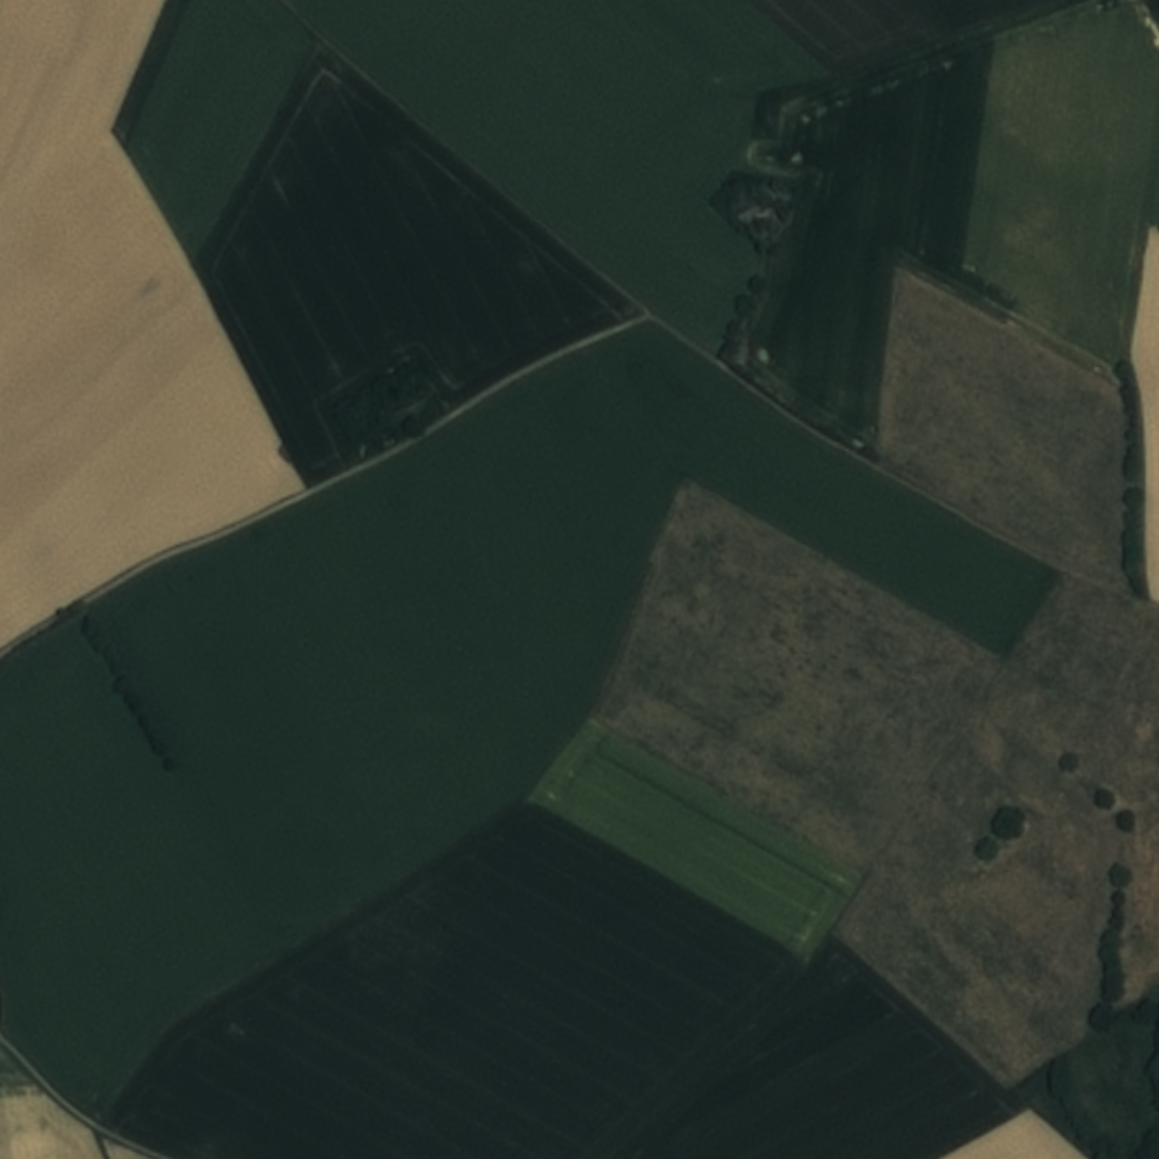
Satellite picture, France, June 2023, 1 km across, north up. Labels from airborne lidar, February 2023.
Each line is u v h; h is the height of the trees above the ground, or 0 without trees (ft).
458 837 0
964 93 0
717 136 0
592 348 0
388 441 22
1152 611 0
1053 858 0
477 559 0
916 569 0
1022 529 0
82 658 0
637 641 0
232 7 0
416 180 0
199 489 0
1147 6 0
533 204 0
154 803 0
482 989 0
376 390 23
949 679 0
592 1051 0
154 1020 0
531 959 0
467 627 0
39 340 0
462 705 0
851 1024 0
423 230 0
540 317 0
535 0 0
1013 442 0
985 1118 0
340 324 0
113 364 0
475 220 0
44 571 0
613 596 0
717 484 0
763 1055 0
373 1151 0
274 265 0
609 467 0
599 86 0
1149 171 0
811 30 0
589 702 0
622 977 0
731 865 0
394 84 0
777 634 0
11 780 0
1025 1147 0
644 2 0
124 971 0
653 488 0
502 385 0
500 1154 0
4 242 0
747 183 21
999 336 0
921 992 0
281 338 0
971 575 0
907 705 0
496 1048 0
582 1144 0
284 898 0
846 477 0
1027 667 0
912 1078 0
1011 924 0
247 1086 0
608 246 0
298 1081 0
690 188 0
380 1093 0
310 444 0
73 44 0
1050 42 0
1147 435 0
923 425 0
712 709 0
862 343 0
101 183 0
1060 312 0
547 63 0
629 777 0
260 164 0
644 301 0
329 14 0
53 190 0
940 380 0
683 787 0
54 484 0
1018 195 0
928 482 0
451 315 0
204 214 0
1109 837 0
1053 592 0
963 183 0
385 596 0
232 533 0
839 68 0
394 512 0
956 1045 0
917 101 0
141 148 0
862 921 0
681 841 0
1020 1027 0
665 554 0
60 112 0
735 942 0
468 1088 0
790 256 0
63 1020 0
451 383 0
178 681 0
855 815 0
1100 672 0
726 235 0
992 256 0
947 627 0
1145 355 0
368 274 0
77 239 0
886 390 0
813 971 0
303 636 0
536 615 0
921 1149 0
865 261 0
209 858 0
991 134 0
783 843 0
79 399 0
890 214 0
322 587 0
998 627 0
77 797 0
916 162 0
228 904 0
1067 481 0
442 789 0
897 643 0
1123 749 0
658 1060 0
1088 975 0
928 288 0
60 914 0
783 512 0
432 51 0
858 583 0
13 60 0
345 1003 0
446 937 0
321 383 0
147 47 0
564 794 0
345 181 0
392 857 0
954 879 0
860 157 0
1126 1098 0
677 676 0
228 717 0
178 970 0
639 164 0
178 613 0
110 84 0
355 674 0
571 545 0
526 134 0
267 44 0
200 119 0
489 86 0
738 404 0
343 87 0
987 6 0
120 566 0
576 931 0
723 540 0
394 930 0
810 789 0
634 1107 0
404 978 0
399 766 0
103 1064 0
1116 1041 0
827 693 0
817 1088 0
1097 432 0
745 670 0
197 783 0
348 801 0
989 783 0
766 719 0
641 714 0
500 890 0
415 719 0
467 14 0
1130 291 0
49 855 0
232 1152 0
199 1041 0
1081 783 0
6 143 0
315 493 0
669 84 0
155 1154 0
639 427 0
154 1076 0
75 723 0
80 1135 0
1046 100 0
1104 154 0
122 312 0
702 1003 0
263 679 0
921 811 0
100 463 0
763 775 0
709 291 0
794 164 0
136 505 0
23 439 0
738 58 0
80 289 0
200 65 0
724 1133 0
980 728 0
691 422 0
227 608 0
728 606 0
